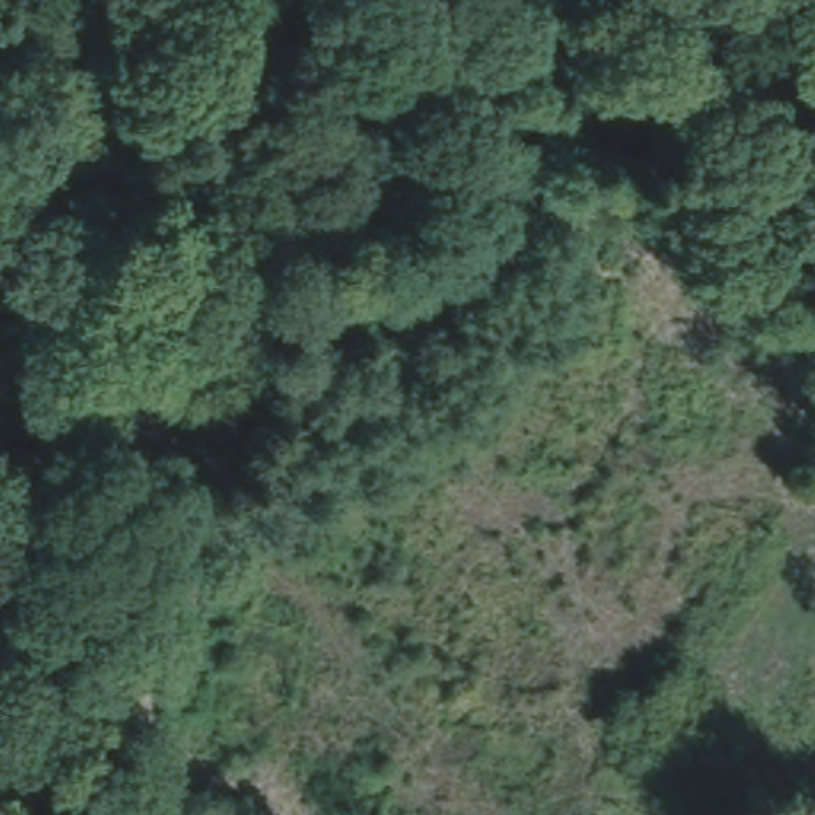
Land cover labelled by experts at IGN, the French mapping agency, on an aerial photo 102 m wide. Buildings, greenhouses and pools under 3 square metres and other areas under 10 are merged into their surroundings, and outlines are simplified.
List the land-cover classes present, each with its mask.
<instances>
[{"label":"deciduous trees","instance_id":"1","mask_svg":"<svg viewBox=\"0 0 815 815\"><path fill-rule=\"evenodd\" d=\"M646 252L659 258V264L672 267L681 293L697 309L713 312L726 325L723 341L716 347H742V372L755 376L758 388H770L777 395V427L755 443V455L796 497L809 503L815 500V0H0V815H274L258 786H252L242 777L236 786H229L226 774L210 761L220 751V745H229L242 735V723L236 719V713L248 697L255 665L248 656H232V643H216L213 649H207L194 634H201V627L210 624V618L226 614L242 599H255L258 592H264L267 573H261V567L293 554V532L309 516L315 522H328L331 513L344 516L350 503L379 497L385 484L408 481L417 474H436L439 481L446 478L455 484H468L474 478V465L493 455L490 433L506 430L519 420L525 401L532 398L528 388L535 382L563 376L576 366L605 369L627 363L634 357L637 309L634 302H627L624 287L614 280V271L637 277ZM704 815H815V790L796 780H764L758 786L710 780L700 799Z\"/></svg>","mask_w":815,"mask_h":815},{"label":"herbaceous vegetation","instance_id":"2","mask_svg":"<svg viewBox=\"0 0 815 815\"><path fill-rule=\"evenodd\" d=\"M614 280L624 287L627 302H634L637 309L634 357L627 363L605 369L576 366L563 376L535 382L528 388L532 398L525 401L519 420L506 430L490 433L493 455L474 465V478L468 484H455L446 478L439 481L436 474H417L408 481L385 484L379 497L350 503L344 516L331 513L328 522H315L309 516L293 532V554L261 567V573H267L264 592H258L255 599H242L226 614L210 618V624L201 627V634H194L207 649H213L216 643H232V656H248L255 665L248 697L236 713V719L242 723V735L229 745H220V751L210 761L226 774L229 786H236L242 777L252 786H258L274 815H704L700 799L710 780L758 786L764 780H796L815 790V500L809 503L796 497L755 455V443L777 427V395L770 388H758L755 376L742 372V347H716L723 341L726 325L713 312L697 309L681 293L672 267L659 264V258L646 252L637 277L614 271ZM774 519H783L790 525L793 551L780 567L783 586L761 608L751 611L745 634H739L729 643L723 669L713 672L726 688V700L713 704L700 719L684 716L678 723L672 748L662 755L656 767H649L640 777V790H630L621 777L624 761L611 755V742H599V719L583 716L589 675L595 669H614L624 649L640 646L653 637H662L675 649H681L684 637L707 640L726 618V611L739 599H748L745 576L764 551Z\"/></svg>","mask_w":815,"mask_h":815},{"label":"brushwood","instance_id":"3","mask_svg":"<svg viewBox=\"0 0 815 815\"><path fill-rule=\"evenodd\" d=\"M793 551L790 525L783 519H774L764 551L745 576L748 599H739L726 611V618L707 640L684 637L681 649H675L662 637H653L640 646L624 649L614 669H595L589 675L583 716L599 719V742H611V755L624 761L621 777L630 790H640V777L649 767H656L662 755L672 748L678 723L684 716L700 719L713 704L726 700V688L713 672L723 669L729 643L739 634H745L751 611L761 608L783 586L780 567Z\"/></svg>","mask_w":815,"mask_h":815}]
</instances>
